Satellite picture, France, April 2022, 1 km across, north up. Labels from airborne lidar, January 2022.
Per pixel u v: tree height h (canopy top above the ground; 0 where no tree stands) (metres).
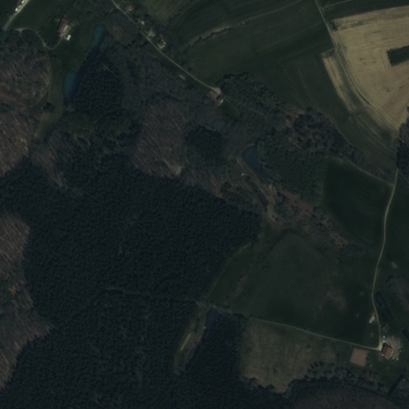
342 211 0
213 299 0
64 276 29
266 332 0
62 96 0
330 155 6
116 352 29
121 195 34
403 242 0
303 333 0
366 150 0
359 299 0
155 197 22
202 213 36
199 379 17
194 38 0
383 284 0
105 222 28
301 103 0
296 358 0
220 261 25
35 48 28
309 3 0
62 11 0
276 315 0
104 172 33
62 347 34
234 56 0
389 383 0
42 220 30
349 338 0
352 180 0
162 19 0
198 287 25
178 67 0
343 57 0
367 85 0
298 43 0
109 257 25
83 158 33
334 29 0
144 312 34
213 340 19
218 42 0
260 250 16
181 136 28
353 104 0
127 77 29
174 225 29
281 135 17
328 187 0
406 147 30
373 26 0
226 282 0
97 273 27
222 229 37
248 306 0
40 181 29
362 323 0
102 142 21
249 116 9
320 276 0
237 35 0
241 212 34
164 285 35
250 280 0
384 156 0
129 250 26
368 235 0
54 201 21
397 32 0
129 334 25
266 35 0
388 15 0
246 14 0
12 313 29
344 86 0
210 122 12
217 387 20
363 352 0
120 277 37
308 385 22
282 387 0
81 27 0
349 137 0
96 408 32
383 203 0
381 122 0
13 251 32
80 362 38
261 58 0
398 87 0
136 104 30
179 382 23
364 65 0
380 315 0
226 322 20
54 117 0
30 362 33
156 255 36
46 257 29
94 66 31
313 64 0
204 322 0
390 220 0
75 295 29
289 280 0
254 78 9
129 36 14
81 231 32
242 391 23
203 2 0
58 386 34
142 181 30
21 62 29
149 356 29
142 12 18
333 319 0
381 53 0
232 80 20
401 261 0
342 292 0
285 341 0
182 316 22
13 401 30
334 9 0
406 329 0
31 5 0
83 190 31
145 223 32
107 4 12
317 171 17
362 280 0
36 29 0
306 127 28
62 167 26
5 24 0
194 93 20
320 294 0
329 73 0
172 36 0
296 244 0
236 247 26
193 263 34
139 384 21
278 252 0
